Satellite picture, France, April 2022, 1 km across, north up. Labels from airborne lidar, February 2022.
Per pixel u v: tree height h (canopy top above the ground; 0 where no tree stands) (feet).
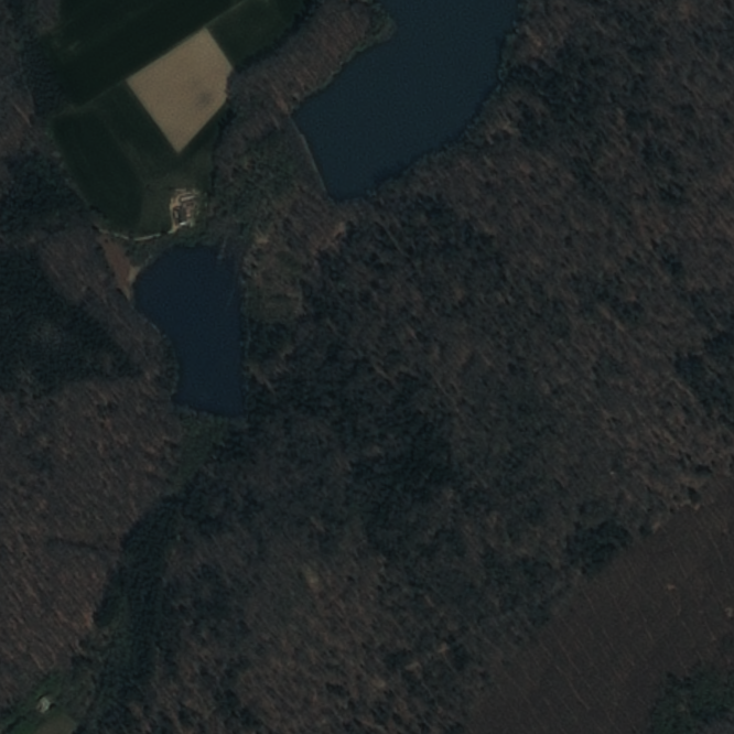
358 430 37
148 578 77
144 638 87
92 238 82
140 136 0
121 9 0
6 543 94
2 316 56
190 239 23
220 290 0
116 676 53
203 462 35
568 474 70
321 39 97
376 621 71
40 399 28
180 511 92
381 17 55
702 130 74
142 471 84
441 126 0
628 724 42
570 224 76
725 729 104
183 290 0
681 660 40
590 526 68
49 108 96
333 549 77
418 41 0
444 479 33
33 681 108
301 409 48
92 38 0
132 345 96
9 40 74
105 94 0
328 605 79
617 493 75
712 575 31
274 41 0
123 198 0
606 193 70
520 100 84
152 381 88
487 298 89
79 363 75
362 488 77
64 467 83
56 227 91
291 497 82
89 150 0
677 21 95
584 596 37
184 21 0
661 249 75
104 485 89
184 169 0
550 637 43
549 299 103
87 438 85
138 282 0
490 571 69
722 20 92
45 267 82
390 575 30
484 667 62
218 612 78
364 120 0
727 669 27
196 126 0
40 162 91
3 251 78
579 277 0
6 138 87
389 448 82
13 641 103
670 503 72
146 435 94
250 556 82
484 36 0
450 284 85
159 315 0
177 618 74
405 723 38
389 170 0
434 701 84
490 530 82
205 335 0
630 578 50
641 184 73
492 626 79
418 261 104
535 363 74
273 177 58
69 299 82
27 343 68
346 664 63
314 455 88
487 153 77
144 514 80
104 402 90
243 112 77
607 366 75
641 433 85
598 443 73
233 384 0
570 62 94
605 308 79
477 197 93
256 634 70
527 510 90
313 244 88
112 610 88
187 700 72
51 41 0
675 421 79
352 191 0
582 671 52
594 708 41
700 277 80
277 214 42
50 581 91
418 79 0
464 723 58
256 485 72
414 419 64
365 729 82
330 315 40
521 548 69
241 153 100
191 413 78
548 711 52
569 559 88
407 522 79
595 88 77
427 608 79
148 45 0
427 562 62
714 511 45
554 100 79
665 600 35
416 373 68
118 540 37
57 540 52
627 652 44
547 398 78
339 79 0
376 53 0
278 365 90
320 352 86
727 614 36
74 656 88
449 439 81
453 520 75
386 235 62
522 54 97
